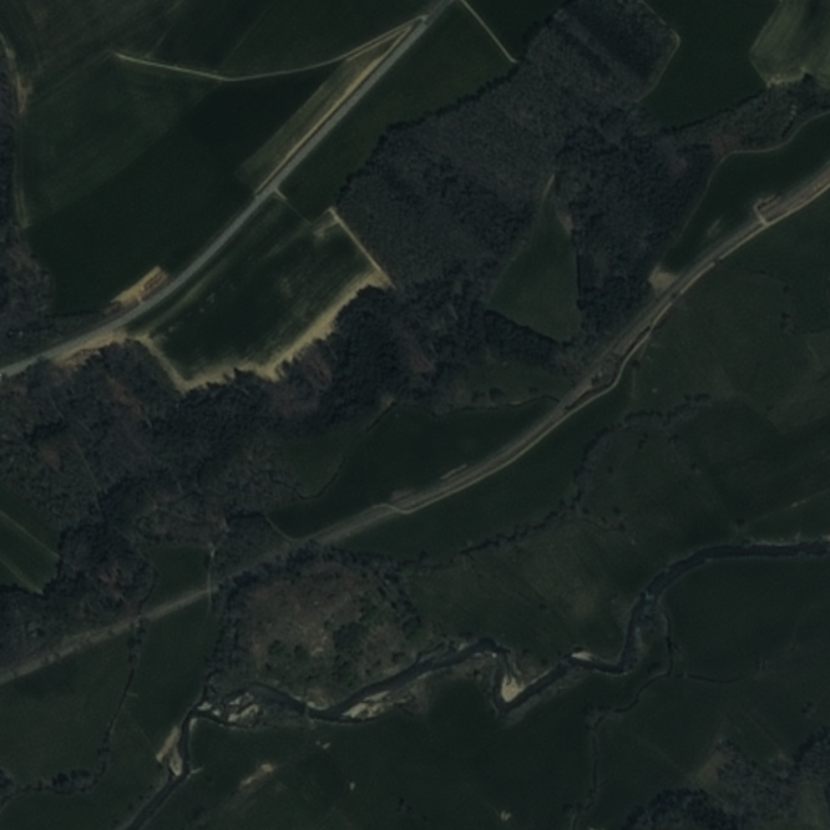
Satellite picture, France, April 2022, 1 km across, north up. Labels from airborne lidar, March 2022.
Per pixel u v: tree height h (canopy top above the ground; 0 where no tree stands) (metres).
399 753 0
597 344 19
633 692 0
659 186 27
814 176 0
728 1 0
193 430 26
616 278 17
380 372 26
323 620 0
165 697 0
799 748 0
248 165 0
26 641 19
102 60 0
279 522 0
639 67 17
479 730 0
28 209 0
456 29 0
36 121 0
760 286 0
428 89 0
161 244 0
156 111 0
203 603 0
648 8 9
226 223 0
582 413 0
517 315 0
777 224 0
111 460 25
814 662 0
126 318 0
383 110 0
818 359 0
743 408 0
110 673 0
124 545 19
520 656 0
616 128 19
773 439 0
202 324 0
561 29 16
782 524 0
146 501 35
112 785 0
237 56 0
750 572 0
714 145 14
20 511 0
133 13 0
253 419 27
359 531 0
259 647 0
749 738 0
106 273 0
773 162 0
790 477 0
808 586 0
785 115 8
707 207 0
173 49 0
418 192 14
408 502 0
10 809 0
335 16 0
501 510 0
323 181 0
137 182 0
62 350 0
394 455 0
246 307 0
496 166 20
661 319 0
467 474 0
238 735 0
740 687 0
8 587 0
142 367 18
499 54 0
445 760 0
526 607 0
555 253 0
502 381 0
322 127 0
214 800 0
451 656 0
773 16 0
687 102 0
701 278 0
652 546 0
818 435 0
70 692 0
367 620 8
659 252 25
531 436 0
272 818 0
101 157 0
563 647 0
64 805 0
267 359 0
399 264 18
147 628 12
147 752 0
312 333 0
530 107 19
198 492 16
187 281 0
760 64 0
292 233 0
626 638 0
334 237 0
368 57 0
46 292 28
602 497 0
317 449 0
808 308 0
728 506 0
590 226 20
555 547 0
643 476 0
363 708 0
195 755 0
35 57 0
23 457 16
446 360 32
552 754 0
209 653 0
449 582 0
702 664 0
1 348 24
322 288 0
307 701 0
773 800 18
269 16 0
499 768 0
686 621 0
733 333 0
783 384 0
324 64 0
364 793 0
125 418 23
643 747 0
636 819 0
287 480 17
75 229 0
